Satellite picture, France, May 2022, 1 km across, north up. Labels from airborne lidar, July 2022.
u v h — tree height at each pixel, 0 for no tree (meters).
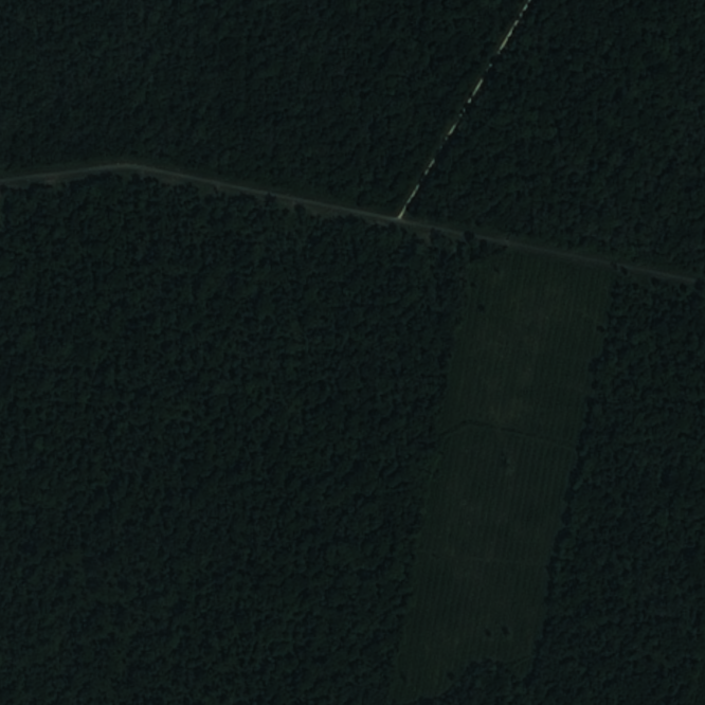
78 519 18
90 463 17
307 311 24
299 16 14
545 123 24
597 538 14
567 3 21
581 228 20
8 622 12
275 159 20
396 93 14
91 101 22
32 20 20
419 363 21
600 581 13
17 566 24
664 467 14
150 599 30
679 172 23
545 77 25
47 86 18
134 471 30
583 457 17
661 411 27
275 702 28
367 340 19
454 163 20
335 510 16
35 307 18
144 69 23
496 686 18
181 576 27
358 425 23
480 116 14
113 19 19
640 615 12
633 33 27
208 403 20
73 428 20
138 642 19
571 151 23
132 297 25
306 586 20
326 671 25
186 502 30
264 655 17
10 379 25
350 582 23
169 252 28
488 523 0
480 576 0
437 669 0
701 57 16
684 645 21
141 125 14
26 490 27
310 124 22
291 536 12
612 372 18
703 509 23
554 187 15
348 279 21
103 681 24
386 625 18
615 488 20
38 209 15
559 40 21
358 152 24
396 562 24
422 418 17
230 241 25
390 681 20
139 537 28
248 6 28
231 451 25
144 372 18
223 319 24
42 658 20
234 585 21
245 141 20
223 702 27
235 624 27
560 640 19
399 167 27
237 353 12
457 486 0
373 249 21
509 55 18
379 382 21
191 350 10
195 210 6
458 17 19
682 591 19
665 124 22
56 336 19
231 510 22
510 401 0
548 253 0
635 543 21
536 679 19
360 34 15
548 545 0
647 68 7
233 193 0
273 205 24
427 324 26
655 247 19
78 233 15
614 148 22
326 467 14
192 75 16
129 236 25
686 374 25
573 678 20
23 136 16
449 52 24
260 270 22
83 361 15
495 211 19
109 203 12
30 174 0
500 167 27
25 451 19
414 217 22
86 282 20
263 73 27
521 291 0
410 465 21
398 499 19
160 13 17
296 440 12
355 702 29
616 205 19
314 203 0
